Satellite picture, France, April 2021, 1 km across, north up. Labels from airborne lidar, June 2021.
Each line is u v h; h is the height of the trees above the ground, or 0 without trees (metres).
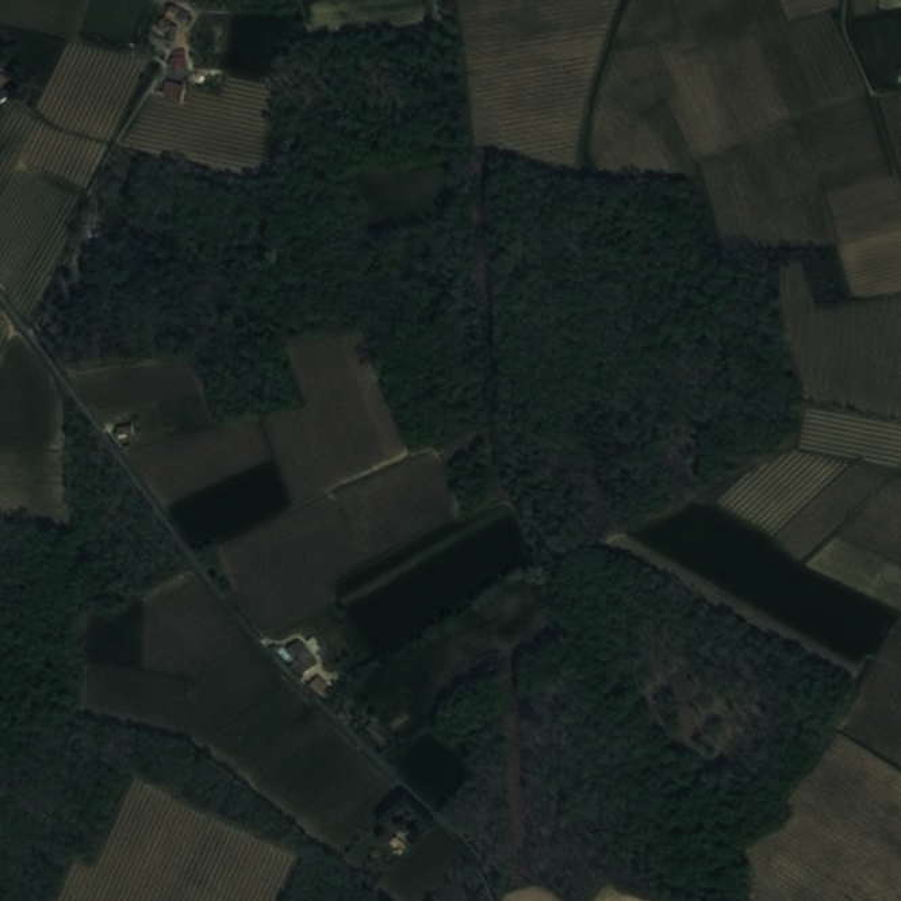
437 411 21
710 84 0
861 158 0
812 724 18
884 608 0
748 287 17
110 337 21
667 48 0
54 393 0
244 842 0
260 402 16
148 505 15
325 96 25
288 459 0
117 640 0
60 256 0
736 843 23
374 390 0
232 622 0
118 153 11
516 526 0
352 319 22
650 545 0
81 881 0
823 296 14
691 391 17
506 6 0
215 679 0
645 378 18
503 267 24
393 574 0
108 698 0
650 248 17
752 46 0
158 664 0
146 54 19
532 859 15
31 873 18
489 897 12
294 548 0
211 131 0
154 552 20
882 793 0
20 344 0
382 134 20
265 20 0
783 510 0
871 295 0
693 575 0
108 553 20
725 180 0
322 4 0
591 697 26
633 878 15
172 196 22
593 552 20
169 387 0
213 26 0
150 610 0
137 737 15
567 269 17
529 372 19
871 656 0
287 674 0
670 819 24
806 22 0
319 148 26
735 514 0
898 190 0
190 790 18
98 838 20
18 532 21
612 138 0
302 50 8
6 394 0
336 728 0
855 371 0
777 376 23
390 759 8
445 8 18
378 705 0
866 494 0
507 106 0
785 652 17
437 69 22
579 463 11
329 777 0
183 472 0
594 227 21
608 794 18
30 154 0
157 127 0
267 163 0
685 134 0
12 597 25
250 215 26
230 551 0
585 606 23
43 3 0
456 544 0
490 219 14
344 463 0
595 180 17
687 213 25
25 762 18
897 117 0
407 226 19
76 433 13
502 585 11
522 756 7
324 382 0
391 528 0
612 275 20
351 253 21
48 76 0
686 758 22
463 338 23
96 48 0
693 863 28
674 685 0
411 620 0
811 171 0
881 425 0
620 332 21
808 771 15
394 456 0
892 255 0
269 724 0
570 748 17
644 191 23
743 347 19
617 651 26
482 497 20
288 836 20
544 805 11
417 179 0
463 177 22
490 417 10
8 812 16
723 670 20
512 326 20
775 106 0
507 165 18
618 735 24
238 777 14
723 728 18
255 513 0
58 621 23
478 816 19
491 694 21
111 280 20
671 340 17
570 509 14
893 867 0
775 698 19
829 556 0
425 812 15
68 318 8
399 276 20
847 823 0
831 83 0
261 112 0
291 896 15
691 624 20
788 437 20
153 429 0
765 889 0
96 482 16
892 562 0
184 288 23
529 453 19
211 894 0
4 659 20
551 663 20
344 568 0
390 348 23
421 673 0
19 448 0
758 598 0
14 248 0
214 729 0
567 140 0
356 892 21
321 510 0
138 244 20
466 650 0
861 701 0
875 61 0
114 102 0
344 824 0
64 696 22
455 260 17
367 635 0
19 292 0
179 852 0
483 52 0
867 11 0
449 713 22
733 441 21
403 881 0
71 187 0
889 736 0
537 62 0
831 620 0
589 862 15
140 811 0
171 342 23
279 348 21
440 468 0
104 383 0
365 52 15
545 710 15
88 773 17
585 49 0
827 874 0
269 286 27
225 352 21
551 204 21
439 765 0
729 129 0
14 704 21
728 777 22
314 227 28
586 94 0
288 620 0
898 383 0
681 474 16
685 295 25
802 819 0
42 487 0
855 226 0
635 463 24
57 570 22
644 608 20
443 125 25
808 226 0
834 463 0
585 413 19
